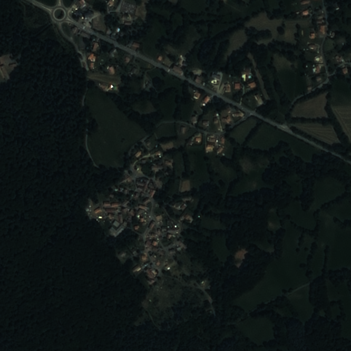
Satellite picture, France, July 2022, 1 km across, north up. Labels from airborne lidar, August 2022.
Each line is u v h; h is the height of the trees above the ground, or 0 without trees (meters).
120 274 29
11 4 16
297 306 0
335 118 20
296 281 0
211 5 20
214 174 15
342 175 16
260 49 24
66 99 12
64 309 29
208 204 15
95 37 10
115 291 30
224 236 18
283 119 0
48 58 13
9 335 18
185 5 0
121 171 18
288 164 24
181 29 18
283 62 0
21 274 29
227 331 6
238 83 0
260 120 11
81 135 10
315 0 0
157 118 22
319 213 10
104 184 23
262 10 12
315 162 24
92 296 30
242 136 0
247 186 0
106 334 23
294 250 0
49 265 22
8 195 32
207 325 7
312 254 17
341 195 0
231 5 0
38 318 23
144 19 0
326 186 0
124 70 6
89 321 32
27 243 26
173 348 16
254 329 0
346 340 7
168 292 0
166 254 0
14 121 15
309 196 21
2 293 28
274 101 17
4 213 30
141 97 13
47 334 28
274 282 0
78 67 23
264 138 0
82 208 20
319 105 0
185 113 0
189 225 7
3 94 23
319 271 0
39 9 7
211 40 16
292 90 0
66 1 0
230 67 19
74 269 30
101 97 0
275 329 16
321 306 23
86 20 0
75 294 29
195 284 6
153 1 22
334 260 0
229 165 21
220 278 11
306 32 0
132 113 28
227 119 0
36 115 24
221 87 0
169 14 0
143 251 0
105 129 0
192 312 16
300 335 29
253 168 0
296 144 0
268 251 0
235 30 13
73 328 29
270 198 26
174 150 16
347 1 18
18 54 7
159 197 15
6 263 31
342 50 7
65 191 9
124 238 11
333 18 18
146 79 0
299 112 0
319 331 22
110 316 23
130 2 0
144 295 24
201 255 8
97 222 24
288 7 0
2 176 33
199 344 21
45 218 29
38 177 29
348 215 0
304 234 12
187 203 13
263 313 24
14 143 32
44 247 19
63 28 0
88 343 19
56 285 27
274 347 19
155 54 0
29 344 23
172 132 0
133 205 13
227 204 12
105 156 0
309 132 0
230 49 0
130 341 22
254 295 0
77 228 31
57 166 15
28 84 29
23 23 22
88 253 31
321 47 0
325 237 0
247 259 21
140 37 20
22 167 31
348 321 0
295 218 0
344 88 0
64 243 26
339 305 15
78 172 29
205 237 7
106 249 28
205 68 16
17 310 16
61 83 24
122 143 8
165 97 20
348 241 0
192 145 8
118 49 14
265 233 23
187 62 14
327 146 16
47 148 30
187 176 17
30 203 33
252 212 26
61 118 6
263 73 19
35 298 29
